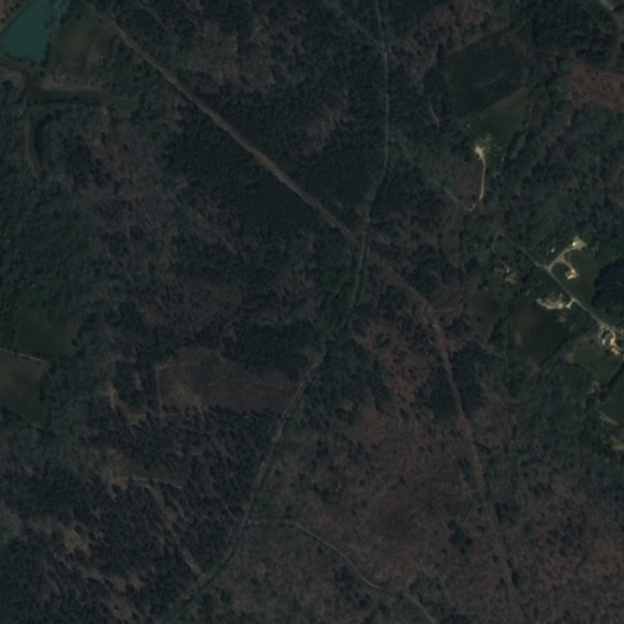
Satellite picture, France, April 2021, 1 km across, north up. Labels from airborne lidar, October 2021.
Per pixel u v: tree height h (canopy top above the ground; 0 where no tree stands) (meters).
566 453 11
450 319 7
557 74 8
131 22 20
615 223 14
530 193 27
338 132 8
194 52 22
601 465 17
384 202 21
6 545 19
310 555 13
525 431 8
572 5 18
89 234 19
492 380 20
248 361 20
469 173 9
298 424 16
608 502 14
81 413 22
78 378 23
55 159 25
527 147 15
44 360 15
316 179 22
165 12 16
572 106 16
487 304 0
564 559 19
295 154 15
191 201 22
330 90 23
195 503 0
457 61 0
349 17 16
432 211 27
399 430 11
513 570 18
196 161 24
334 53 20
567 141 14
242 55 15
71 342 0
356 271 17
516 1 19
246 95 11
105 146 14
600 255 17
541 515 9
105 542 0
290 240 25
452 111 17
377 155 23
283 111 28
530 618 11
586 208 7
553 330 0
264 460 10
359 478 10
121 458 0
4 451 23
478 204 15
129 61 10
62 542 20
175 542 0
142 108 17
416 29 7
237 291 20
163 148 13
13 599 22
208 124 22
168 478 0
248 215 19
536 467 17
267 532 15
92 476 17
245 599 13
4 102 35
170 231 21
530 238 18
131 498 0
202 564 0
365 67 23
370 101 23
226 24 14
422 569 14
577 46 20
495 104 0
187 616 19
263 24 14
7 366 0
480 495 9
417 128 22
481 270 21
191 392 0
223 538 0
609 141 28
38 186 11
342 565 14
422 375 9
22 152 12
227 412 0
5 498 20
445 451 20
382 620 14
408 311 5
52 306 19
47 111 12
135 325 25
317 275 17
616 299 19
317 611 15
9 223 19
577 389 17
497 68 0
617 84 0
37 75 0
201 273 24
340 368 19
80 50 0
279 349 27
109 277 13
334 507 11
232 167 24
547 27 23
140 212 13
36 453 22
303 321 15
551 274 0
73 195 17
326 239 23
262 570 21
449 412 25
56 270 21
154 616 0
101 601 0
